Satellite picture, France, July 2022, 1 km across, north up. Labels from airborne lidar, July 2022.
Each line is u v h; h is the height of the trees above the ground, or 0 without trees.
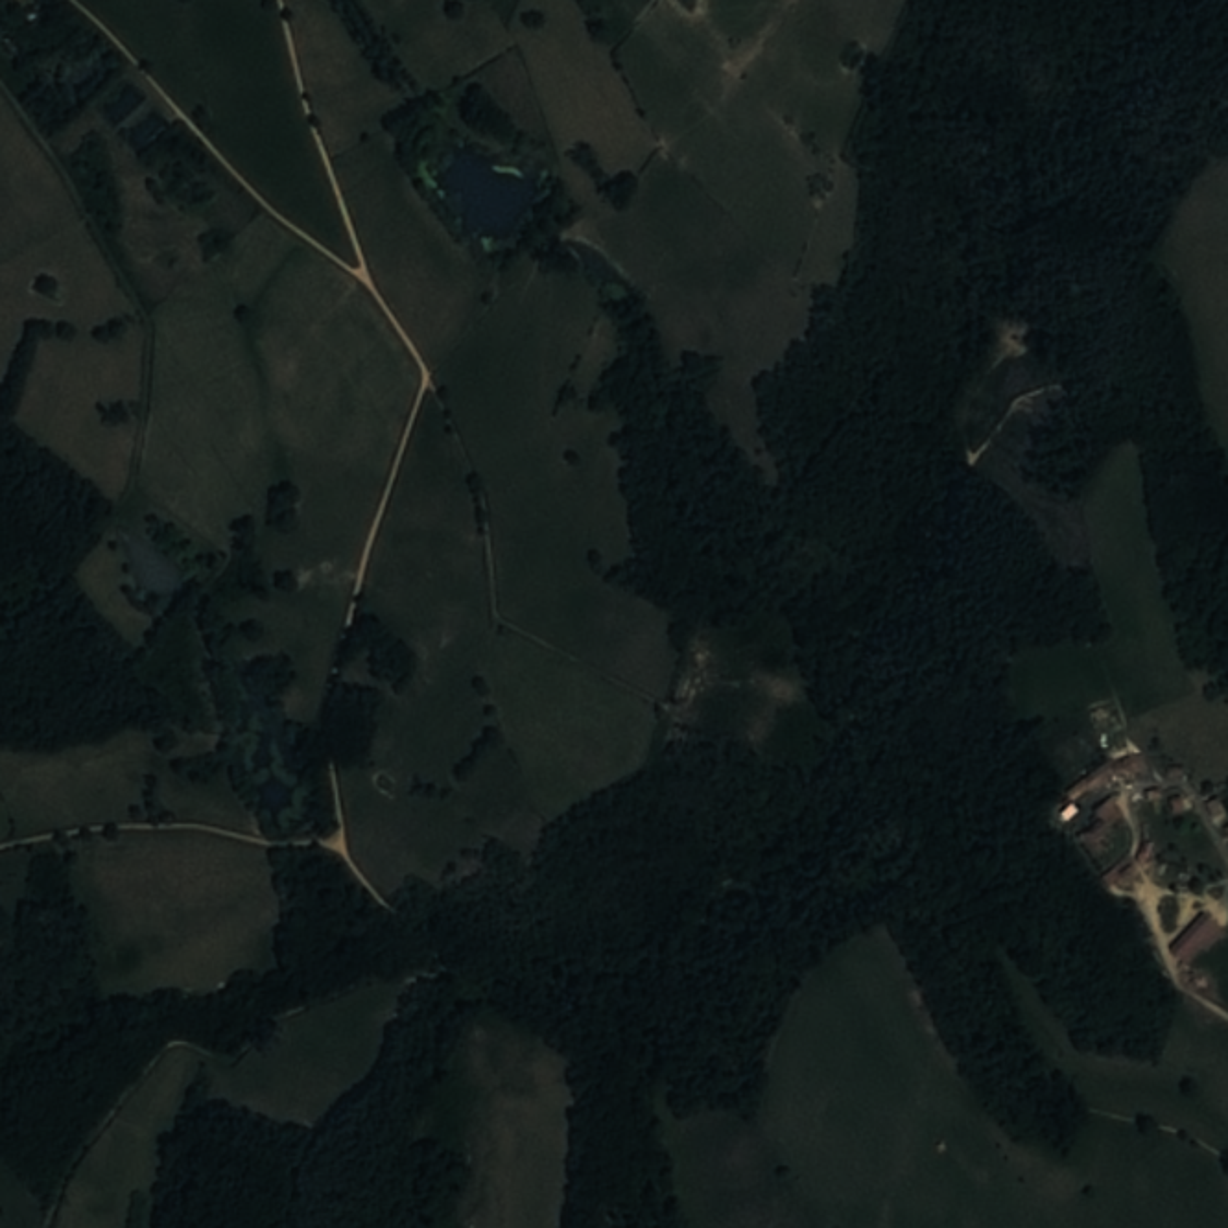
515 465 0
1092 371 13
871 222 11
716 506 21
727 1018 19
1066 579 14
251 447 0
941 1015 13
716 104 0
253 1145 20
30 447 20
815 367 17
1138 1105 0
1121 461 0
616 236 0
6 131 0
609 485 0
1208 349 0
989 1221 0
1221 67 25
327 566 0
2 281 0
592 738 0
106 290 0
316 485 0
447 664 0
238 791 11
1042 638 14
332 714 13
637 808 14
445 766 0
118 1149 0
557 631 0
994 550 25
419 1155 18
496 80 0
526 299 0
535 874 9
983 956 17
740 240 0
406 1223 12
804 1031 0
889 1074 0
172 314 0
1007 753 17
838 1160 0
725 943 18
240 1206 17
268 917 0
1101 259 17
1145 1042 13
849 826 13
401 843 0
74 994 13
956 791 19
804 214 0
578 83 0
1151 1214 0
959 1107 0
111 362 0
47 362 0
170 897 0
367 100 0
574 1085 18
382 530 0
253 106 0
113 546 11
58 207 0
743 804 15
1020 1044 15
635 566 13
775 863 20
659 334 10
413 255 0
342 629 0
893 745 17
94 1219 0
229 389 0
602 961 23
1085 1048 18
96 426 0
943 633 16
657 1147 24
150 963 0
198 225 0
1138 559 0
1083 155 15
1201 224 0
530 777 0
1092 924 8
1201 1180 0
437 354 0
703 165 0
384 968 19
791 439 12
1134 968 7
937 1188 0
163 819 11
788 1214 0
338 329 0
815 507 16
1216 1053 0
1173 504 17
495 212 0
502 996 21
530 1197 0
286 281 0
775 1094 0
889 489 20
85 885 0
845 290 10
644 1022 23
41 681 14
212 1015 12
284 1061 0
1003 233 27
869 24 0
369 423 0
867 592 22
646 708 0
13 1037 17
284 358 0
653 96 0
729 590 31
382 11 0
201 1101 8
